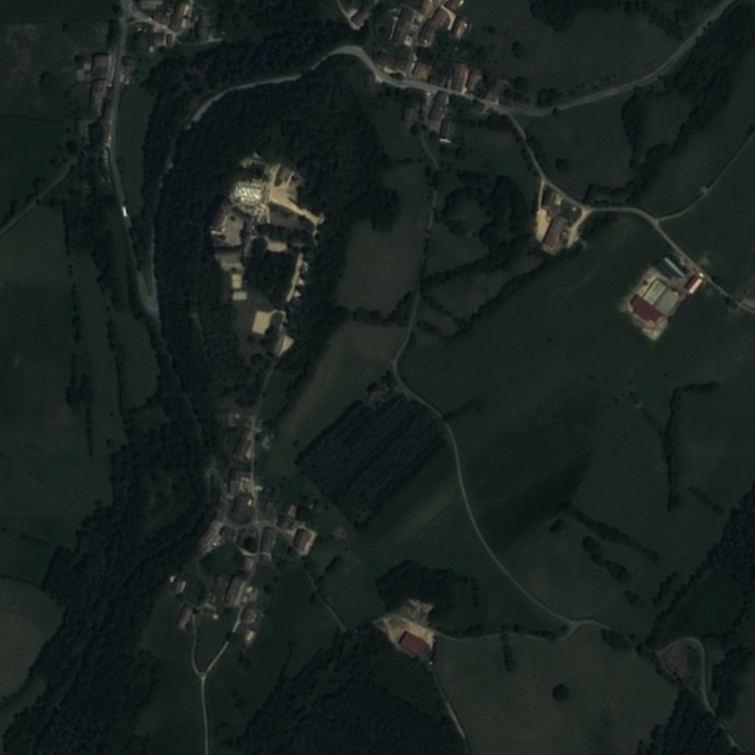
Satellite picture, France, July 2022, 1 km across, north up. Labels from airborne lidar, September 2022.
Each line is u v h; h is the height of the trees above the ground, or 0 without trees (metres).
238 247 0
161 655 0
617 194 11
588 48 0
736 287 0
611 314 0
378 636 16
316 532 0
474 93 7
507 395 0
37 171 0
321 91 20
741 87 0
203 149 22
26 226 0
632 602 12
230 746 14
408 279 0
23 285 0
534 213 11
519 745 0
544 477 0
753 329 0
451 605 17
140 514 23
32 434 0
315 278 19
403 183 0
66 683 22
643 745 12
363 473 23
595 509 0
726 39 13
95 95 0
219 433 10
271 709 20
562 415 0
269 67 29
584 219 0
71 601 17
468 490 0
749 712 0
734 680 21
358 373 0
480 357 0
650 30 0
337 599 0
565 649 0
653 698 0
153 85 15
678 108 0
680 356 0
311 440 0
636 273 0
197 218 23
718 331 0
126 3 0
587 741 0
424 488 0
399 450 25
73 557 18
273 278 24
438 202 0
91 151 15
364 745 18
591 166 0
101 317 0
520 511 0
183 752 0
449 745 18
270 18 23
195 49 0
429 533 0
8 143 0
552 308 0
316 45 9
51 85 13
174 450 19
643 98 13
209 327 10
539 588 0
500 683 0
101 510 6
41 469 0
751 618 8
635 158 6
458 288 0
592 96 0
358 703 15
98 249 18
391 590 22
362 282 0
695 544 0
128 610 23
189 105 13
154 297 0
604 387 0
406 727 18
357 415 18
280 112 23
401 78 10
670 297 0
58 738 22
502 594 0
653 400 0
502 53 0
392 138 0
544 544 0
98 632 15
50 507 0
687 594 17
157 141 21
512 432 0
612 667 0
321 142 15
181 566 16
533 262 0
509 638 7
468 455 0
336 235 15
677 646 0
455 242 0
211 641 0
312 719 13
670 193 0
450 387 0
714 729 26
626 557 0
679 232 0
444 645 0
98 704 26
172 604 0
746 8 9
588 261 0
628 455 0
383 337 0
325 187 25
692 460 0
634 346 0
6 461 0
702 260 0
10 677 0
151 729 0
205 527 7
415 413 22
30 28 0
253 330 0
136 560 18
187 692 0
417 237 0
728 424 0
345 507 21
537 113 0
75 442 0
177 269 24
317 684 10
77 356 7
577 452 0
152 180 14
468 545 0
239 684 0
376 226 17
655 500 0
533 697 0
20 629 0
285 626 0
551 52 0
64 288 0
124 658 23
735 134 0
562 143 0
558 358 0
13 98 0
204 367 15
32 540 9
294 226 0
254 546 19
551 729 0
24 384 0
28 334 0
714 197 0
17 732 11
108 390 0
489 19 0
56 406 0
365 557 0
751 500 17
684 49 0
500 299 13
